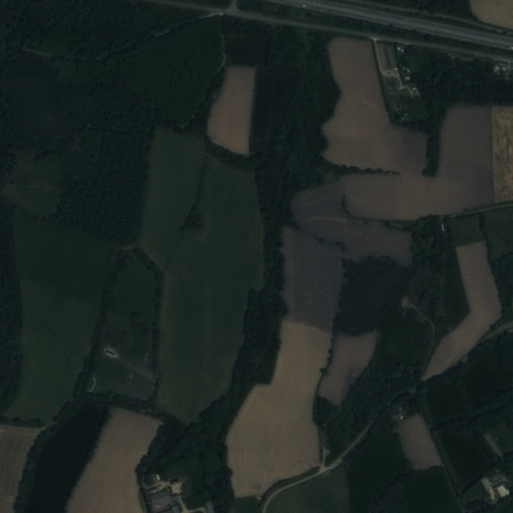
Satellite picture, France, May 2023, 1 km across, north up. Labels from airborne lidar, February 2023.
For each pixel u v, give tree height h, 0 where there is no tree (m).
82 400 13
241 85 0
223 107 0
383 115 0
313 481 0
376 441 0
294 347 0
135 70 15
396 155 0
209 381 0
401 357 0
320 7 0
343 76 0
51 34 15
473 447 0
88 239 0
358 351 0
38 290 0
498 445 0
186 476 0
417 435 0
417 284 0
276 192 21
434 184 0
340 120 0
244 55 0
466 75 16
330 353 9
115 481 0
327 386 0
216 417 15
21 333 0
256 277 0
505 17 0
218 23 12
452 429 13
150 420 0
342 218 0
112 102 13
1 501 0
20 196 0
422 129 16
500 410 17
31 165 0
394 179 0
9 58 13
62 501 0
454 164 0
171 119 7
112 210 17
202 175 0
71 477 0
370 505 0
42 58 6
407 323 0
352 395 12
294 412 0
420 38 8
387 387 6
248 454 0
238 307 0
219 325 0
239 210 0
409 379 10
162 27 7
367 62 0
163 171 0
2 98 14
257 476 0
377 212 0
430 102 11
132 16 13
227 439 0
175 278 0
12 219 0
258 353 13
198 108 10
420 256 7
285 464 0
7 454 0
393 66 0
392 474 0
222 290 0
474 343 0
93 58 9
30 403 0
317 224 0
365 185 0
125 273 0
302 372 0
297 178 20
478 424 16
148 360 0
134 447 0
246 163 13
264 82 0
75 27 19
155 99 16
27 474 13
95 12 14
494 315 0
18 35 20
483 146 0
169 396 0
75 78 14
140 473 14
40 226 0
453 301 0
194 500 0
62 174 0
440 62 9
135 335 0
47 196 0
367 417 9
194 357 0
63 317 0
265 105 0
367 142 0
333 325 7
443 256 9
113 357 0
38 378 0
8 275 11
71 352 0
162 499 0
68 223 18
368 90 0
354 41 0
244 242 0
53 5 10
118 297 0
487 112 0
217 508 16
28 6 17
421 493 0
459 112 0
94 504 0
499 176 0
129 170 16
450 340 0
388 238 0
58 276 0
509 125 0
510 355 22
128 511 0
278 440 0
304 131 10
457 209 0
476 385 0
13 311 7
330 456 0
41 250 0
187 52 14
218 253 0
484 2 0
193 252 0
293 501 0
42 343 0
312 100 10
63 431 0
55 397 0
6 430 0
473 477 0
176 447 9
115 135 18
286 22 0
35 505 0
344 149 0
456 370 19
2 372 17
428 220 9
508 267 13
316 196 0
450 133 0
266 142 0
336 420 7
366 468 0
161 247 0
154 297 0
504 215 0
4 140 16
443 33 0
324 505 0
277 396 0
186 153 0
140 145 19
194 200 0
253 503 0
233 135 0
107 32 17
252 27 10
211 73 11
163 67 15
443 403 0
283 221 20
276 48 9
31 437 0
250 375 7
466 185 0
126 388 0
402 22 0
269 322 11
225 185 0
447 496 0
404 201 0
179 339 0
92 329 0
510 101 13
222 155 7
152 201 0
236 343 0
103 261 0
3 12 0
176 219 0
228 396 7
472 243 0
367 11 0
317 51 12
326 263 0
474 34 0
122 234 17
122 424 0
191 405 0
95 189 17
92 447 14
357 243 0
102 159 20
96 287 0
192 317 0
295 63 8
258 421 0
